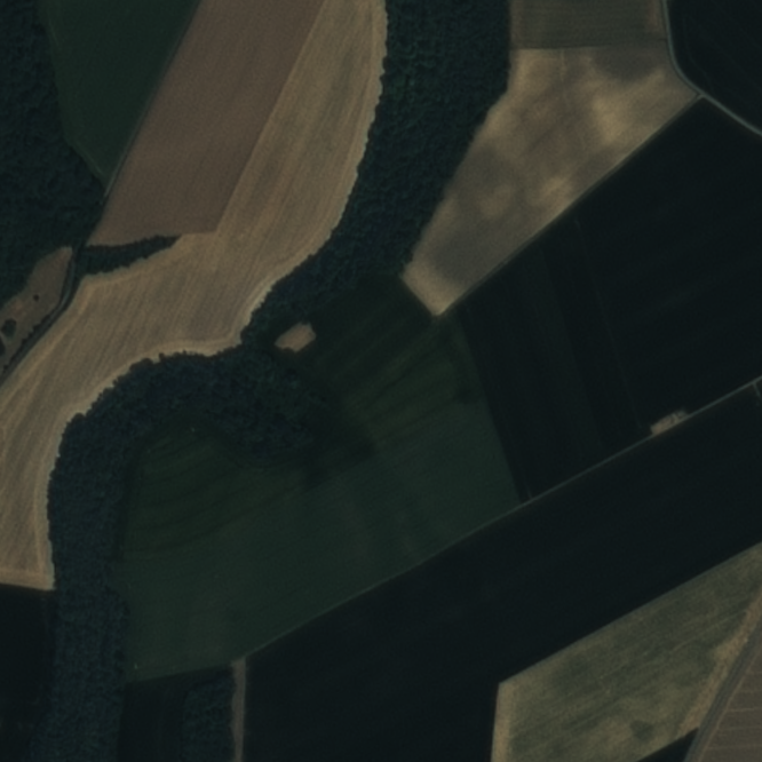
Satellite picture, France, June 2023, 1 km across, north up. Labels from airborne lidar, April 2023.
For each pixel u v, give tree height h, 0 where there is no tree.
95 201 19
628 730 0
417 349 0
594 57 0
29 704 0
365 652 0
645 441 0
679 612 0
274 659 0
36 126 17
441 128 17
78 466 19
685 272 0
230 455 0
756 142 0
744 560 0
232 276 0
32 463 0
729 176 0
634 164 0
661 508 0
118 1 0
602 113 0
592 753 0
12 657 0
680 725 0
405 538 0
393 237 18
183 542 0
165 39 0
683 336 0
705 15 0
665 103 0
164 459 0
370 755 0
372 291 0
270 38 0
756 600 0
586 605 0
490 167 0
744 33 0
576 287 0
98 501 20
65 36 0
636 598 0
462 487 0
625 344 0
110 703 20
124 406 20
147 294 0
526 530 0
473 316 0
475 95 16
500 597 0
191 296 0
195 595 0
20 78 24
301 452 0
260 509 0
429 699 0
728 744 0
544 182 0
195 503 0
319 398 6
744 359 0
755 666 0
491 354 0
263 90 0
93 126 0
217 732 19
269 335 0
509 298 0
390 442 0
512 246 0
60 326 0
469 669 0
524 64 0
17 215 21
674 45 0
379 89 0
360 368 0
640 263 0
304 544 0
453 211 0
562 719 0
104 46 0
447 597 0
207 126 0
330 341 0
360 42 0
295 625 0
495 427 0
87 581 19
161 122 0
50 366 0
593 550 0
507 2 11
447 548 0
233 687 12
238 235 0
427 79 14
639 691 0
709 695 0
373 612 0
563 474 0
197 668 0
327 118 0
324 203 0
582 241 0
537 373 0
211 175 0
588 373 0
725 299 0
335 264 21
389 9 9
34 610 0
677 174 0
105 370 0
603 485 0
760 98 0
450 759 0
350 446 0
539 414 0
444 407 0
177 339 0
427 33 13
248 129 0
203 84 0
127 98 0
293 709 0
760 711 0
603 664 0
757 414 0
